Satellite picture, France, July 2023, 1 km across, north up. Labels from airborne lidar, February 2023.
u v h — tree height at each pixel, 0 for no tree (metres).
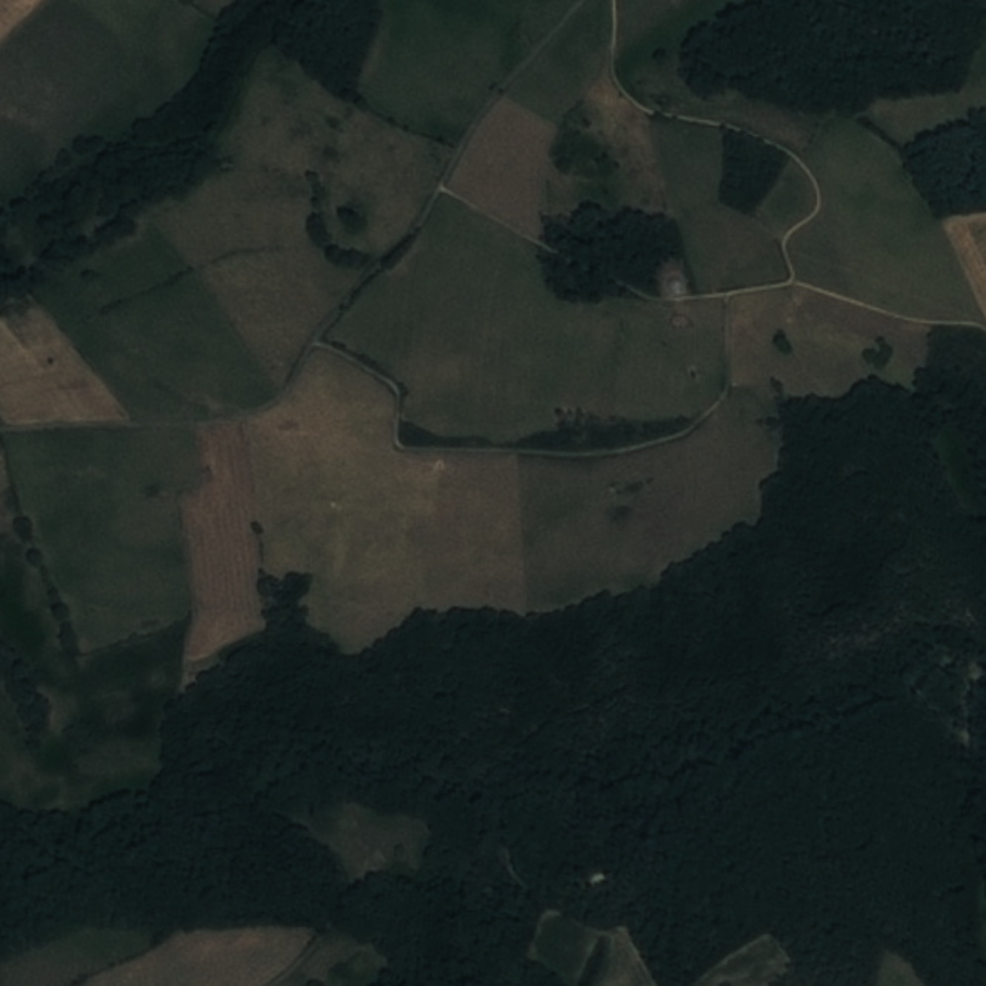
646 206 0
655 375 0
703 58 16
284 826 19
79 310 0
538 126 0
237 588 0
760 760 24
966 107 0
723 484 0
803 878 18
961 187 24
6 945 16
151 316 0
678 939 12
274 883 22
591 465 0
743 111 0
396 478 0
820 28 19
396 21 0
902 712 20
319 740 23
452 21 0
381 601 0
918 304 0
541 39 0
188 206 0
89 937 0
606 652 11
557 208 0
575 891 13
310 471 0
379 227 0
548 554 0
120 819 10
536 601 0
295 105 0
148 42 0
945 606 18
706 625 15
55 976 0
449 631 18
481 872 31
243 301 0
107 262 0
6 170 0
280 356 0
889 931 19
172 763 12
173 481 0
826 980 6
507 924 22
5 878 22
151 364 0
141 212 7
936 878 26
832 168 0
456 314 0
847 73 13
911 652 21
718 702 15
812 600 22
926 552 17
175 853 21
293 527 0
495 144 0
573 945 0
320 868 18
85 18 0
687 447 0
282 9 19
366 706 19
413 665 18
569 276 9
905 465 23
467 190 0
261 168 0
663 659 9
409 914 21
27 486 0
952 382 7
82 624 0
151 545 0
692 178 0
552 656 12
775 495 15
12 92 0
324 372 0
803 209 0
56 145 0
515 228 0
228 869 20
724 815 21
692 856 23
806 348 0
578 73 0
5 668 18
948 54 13
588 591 0
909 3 21
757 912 16
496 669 18
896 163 0
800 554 19
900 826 22
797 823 23
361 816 0
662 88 0
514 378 0
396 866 0
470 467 0
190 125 10
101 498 0
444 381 0
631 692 17
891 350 9
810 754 23
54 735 0
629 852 11
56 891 14
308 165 0
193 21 0
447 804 22
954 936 24
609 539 0
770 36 18
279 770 13
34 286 19
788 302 0
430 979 33
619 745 23
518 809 25
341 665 20
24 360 0
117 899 17
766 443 0
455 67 0
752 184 9
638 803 12
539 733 8
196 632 0
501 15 0
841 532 16
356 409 0
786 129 0
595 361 0
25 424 0
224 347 0
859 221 0
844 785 27
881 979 0
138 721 0
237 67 16
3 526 0
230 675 19
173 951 0
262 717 22
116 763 0
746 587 15
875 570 10
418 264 0
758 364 0
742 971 0
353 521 0
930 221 0
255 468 0
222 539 0
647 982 0
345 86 18
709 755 23
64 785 0
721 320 0
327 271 0
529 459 0
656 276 7
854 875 19
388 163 0
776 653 9
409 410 0
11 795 0
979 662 14
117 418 0
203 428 0
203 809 23
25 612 0
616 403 0
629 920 10
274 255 0
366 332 0
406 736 22
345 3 20
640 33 0
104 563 0
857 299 0
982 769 25
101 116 0
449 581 0
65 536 0
